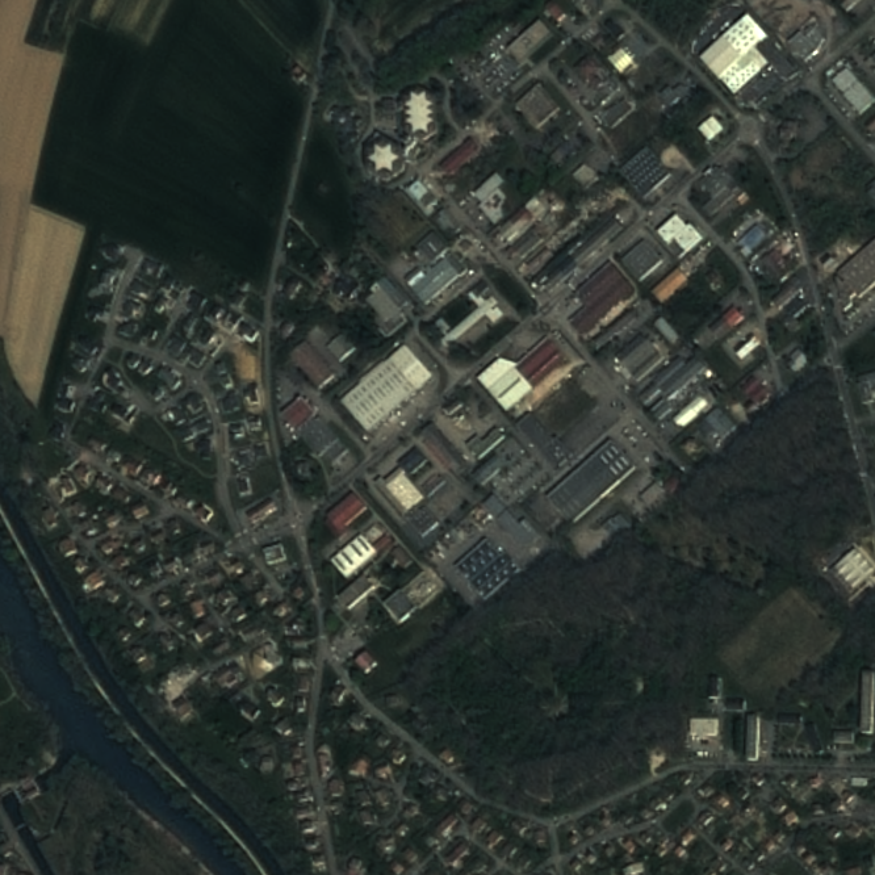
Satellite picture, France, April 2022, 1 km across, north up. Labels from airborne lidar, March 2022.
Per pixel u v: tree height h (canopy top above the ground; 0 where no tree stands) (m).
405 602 0
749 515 30
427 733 16
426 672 26
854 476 15
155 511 0
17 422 16
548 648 13
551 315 0
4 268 0
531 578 16
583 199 13
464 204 0
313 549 8
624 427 0
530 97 0
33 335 0
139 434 0
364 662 0
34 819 0
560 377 0
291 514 0
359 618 0
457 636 26
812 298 0
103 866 14
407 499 0
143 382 0
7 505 0
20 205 0
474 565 0
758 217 0
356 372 14
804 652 0
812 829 8
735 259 0
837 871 6
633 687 14
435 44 25
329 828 0
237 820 0
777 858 0
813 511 27
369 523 0
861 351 0
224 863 0
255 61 0
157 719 18
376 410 0
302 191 0
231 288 8
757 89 0
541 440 0
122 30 0
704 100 15
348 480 0
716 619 28
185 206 0
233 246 0
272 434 0
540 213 0
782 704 14
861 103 0
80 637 0
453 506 0
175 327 0
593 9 0
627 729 26
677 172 0
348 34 0
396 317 0
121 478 0
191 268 0
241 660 0
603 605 26
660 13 8
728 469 27
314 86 0
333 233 0
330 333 0
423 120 0
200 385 0
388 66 18
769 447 31
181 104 0
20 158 0
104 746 0
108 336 0
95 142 0
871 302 0
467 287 0
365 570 0
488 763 23
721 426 0
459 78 0
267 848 26
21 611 0
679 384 0
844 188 0
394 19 0
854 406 0
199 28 0
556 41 0
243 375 0
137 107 0
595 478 0
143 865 0
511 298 0
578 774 23
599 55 6
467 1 0
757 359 0
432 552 0
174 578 0
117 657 6
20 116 0
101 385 0
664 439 0
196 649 0
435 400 0
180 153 0
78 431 6
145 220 0
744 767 0
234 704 8
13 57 0
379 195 25
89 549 0
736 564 14
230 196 0
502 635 26
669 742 23
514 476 0
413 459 0
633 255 0
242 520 0
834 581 0
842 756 0
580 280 0
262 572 0
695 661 21
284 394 0
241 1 0
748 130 0
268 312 0
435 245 0
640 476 0
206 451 0
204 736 0
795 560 24
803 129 0
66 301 0
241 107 0
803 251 0
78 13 0
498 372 0
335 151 0
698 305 8
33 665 0
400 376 0
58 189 0
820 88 0
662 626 31
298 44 0
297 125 0
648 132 0
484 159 7
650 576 22
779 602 0
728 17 0
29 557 0
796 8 0
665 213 0
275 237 0
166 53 0
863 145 0
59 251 0
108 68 0
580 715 13
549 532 0
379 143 0
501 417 0
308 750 0
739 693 0
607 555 13
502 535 0
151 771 22
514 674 10
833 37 0
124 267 0
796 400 20
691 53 0
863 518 27
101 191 0
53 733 14
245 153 0
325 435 0
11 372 0
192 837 0
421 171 0
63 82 0
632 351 0
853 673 9
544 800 23
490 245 0
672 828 0
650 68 0
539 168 17
